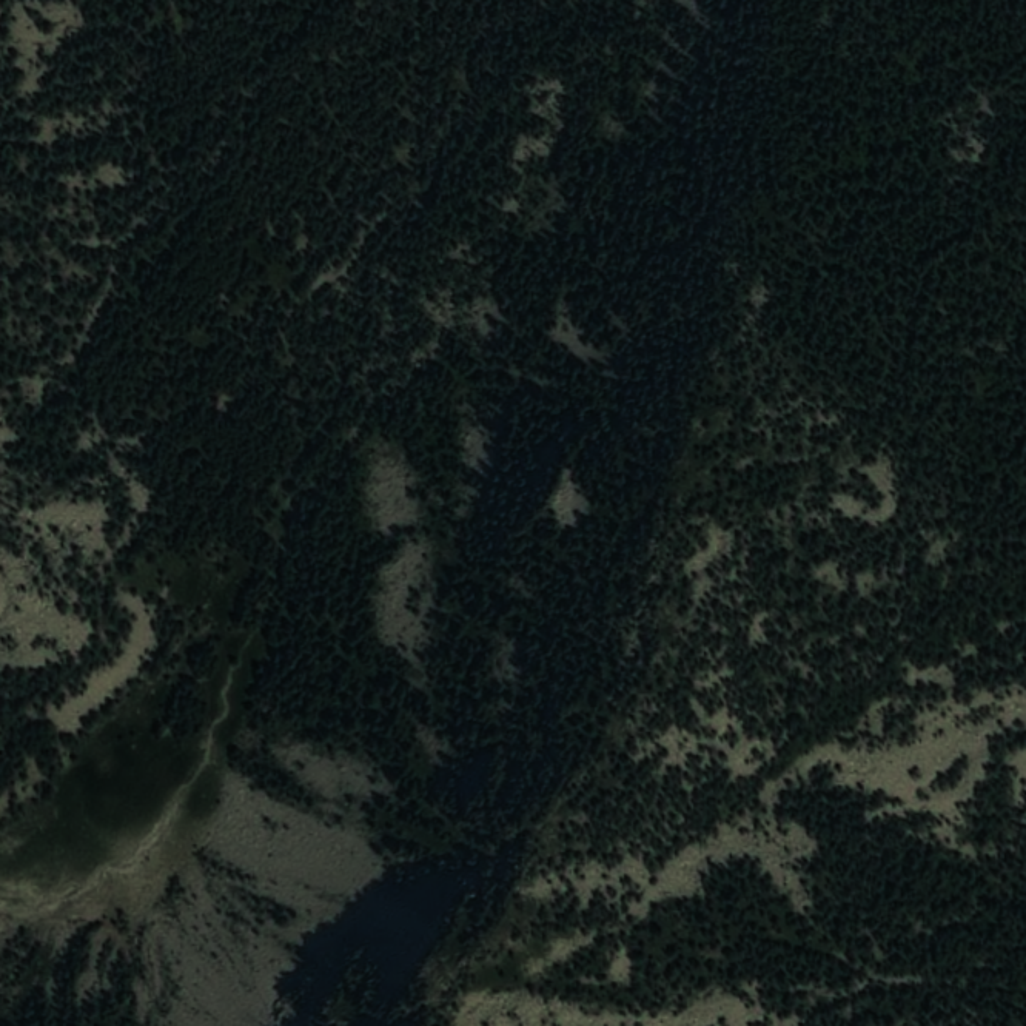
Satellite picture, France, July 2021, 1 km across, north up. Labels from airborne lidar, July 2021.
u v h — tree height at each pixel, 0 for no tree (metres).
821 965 20
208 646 10
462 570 8
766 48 8
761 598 8
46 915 0
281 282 0
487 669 15
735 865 13
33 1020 18
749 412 12
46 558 11
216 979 0
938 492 11
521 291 25
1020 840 9
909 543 26
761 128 12
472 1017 0
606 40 24
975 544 18
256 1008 0
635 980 11
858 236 27
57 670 16
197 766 0
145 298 11
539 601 13
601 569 16
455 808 24
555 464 8
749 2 24
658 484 11
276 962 0
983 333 26
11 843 0
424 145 24
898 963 23
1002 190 9
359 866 0
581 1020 0
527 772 26
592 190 15
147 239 21
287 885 0
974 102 12
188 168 22
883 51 19
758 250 16
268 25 19
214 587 0
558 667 13
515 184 13
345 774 0
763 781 18
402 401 22
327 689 29
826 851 21
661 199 18
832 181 6
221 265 28
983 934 27
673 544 10
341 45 23
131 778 0
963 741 0
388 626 0
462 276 9
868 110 10
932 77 27
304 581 15
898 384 17
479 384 18
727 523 13
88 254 22
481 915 14
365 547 10
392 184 16
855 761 0
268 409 27
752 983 12
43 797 21
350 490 26
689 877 0
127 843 0
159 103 26
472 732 28
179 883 7
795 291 17
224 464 19
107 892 0
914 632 21
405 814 9
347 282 17
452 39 27
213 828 0
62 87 17
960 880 25
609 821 11
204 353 18
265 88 25
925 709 14
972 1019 15
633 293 12
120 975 9
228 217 25
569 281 17
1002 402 16
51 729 23
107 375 27
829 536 20
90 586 15
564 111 14
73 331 17
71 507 0
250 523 18
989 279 9
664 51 22
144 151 16
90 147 19
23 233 18
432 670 11
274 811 0
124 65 26
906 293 25
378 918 0
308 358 29
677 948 19
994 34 25
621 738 0
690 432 9
